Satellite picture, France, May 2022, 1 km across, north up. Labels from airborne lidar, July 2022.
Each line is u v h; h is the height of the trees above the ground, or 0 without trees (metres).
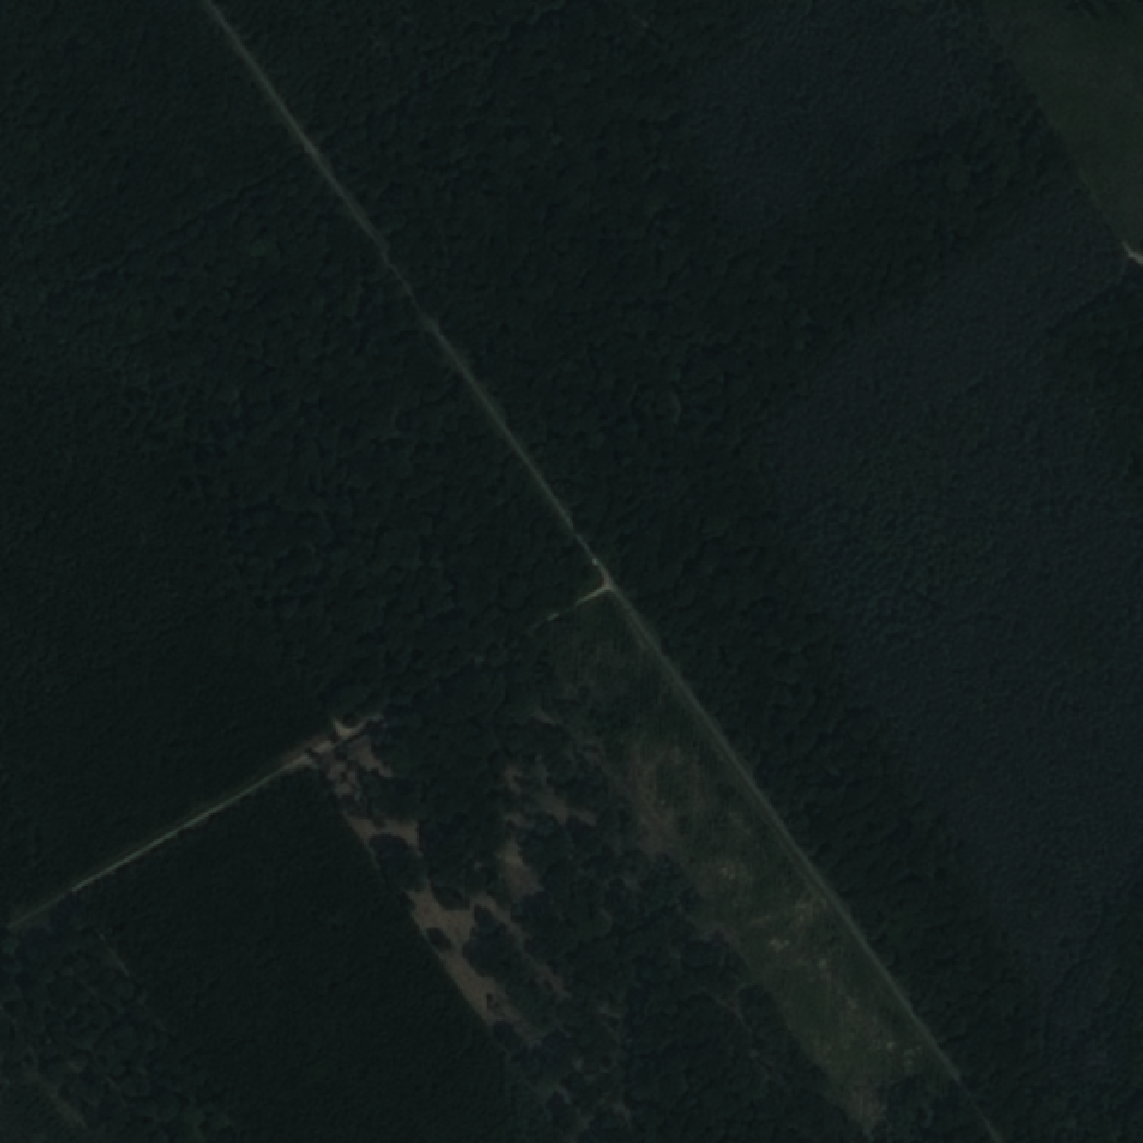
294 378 28
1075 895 21
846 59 26
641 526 27
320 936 11
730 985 27
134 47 24
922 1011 25
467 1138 13
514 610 22
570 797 25
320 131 23
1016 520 28
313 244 27
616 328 28
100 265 21
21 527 8
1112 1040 24
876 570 29
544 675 22
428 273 26
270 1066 11
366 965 9
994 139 26
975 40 19
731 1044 25
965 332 23
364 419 29
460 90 25
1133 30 0
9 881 11
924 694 24
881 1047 0
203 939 8
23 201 22
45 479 12
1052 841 26
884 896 25
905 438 20
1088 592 27
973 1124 23
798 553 23
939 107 23
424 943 12
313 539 28
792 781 25
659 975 32
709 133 24
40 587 11
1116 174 0
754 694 25
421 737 29
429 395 27
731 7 21
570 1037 22
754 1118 29
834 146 22
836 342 19
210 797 11
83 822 12
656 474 23
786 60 23
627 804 24
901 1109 22
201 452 12
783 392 28
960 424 27
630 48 30
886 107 25
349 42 21
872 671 24
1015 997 28
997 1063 27
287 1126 13
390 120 26
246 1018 13
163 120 26
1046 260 23
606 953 28
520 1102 18
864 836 24
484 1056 13
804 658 31
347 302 30
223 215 28
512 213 28
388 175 25
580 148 32
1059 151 30
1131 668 25
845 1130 29
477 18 20
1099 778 28
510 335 29
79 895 9
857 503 19
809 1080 25
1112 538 29
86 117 28
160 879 9
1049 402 23
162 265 28
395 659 28
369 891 11
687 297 25
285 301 29
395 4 25
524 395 29
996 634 23
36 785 12
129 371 22
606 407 29
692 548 28
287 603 28
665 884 19
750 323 26
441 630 31
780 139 26
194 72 25
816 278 26
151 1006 12
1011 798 24
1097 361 29
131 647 9
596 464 33
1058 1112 26
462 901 29
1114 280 23
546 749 25
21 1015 27
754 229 24
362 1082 12
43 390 10
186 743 13
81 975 26
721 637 22
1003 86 19
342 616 29
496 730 30
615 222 31
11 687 6
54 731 14
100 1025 26
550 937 25
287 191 30
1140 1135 25
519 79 29
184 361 27
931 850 30
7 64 29
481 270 25
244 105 23
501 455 18
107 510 12
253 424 32
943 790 25
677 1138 26
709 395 31
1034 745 25
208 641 9
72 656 12
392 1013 12
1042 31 0
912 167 27
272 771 0
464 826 27
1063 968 18
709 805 0
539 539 29
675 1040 25
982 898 24
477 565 28
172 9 24
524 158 32
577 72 32
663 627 19
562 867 32
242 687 11
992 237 27
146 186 25
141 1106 29
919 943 27
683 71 25
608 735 8
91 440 13
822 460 21
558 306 27
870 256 27
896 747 26
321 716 13
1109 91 0
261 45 24
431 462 29
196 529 9
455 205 28
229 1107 14
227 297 23
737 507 30
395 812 26
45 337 24
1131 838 24
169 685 12
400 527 29
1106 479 21
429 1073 13
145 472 12
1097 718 25
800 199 25
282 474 30
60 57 26
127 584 10
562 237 28
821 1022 0
